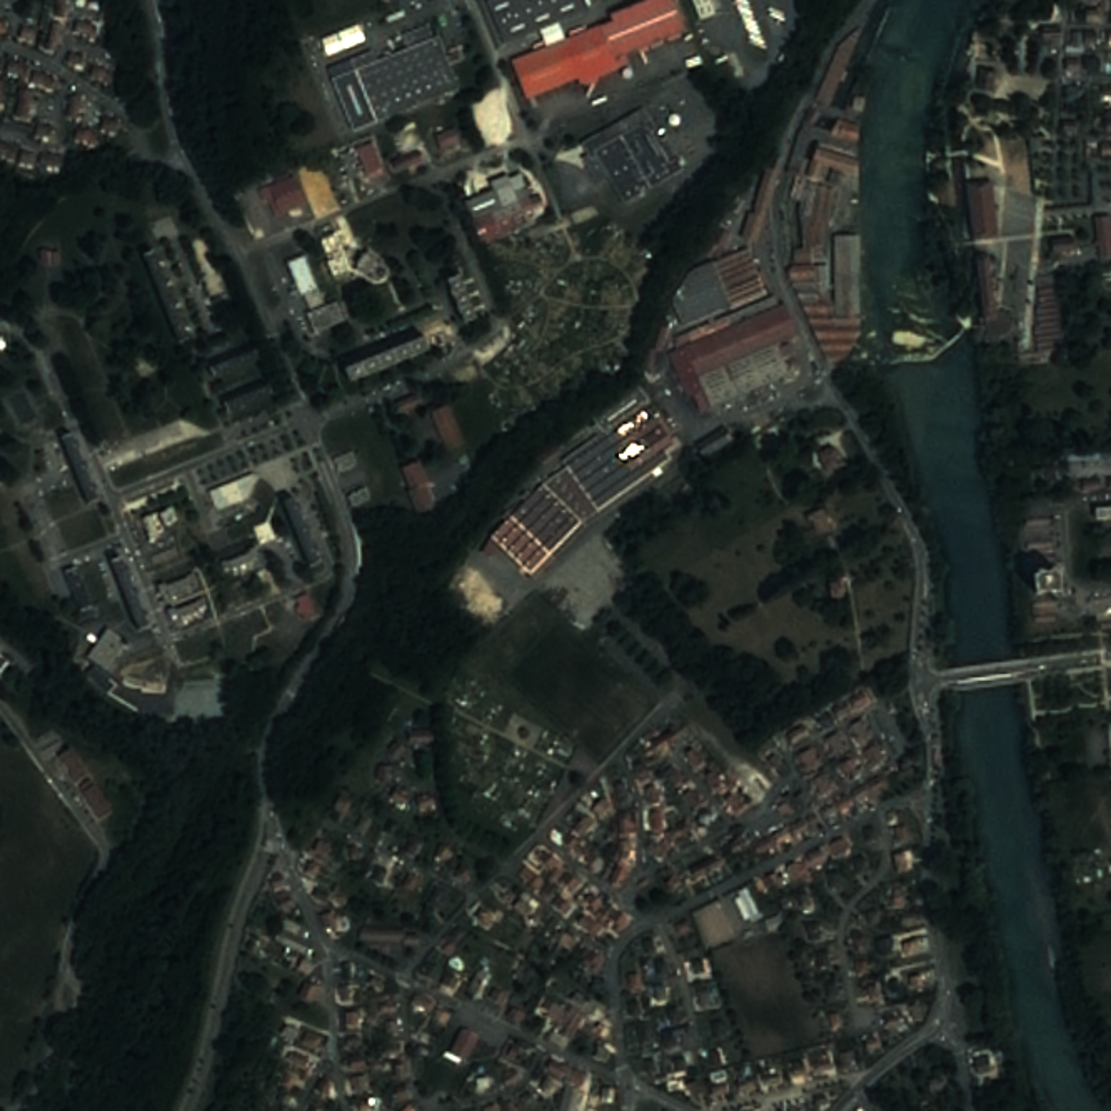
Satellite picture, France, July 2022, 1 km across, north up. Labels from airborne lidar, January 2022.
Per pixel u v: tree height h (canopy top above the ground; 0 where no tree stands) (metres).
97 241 15
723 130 14
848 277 0
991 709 0
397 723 0
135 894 17
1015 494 7
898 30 0
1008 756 0
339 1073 0
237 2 14
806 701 17
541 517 0
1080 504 0
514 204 0
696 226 15
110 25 10
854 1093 0
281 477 0
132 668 0
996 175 0
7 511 0
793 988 0
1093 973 0
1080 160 7
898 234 0
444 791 15
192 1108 0
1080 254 0
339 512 0
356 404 0
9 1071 0
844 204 0
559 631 0
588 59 0
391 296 0
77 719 16
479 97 7
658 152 0
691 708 0
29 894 0
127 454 0
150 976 25
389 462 0
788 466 18
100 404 0
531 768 0
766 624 0
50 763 0
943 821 12
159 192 13
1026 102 14
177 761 23
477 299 0
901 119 0
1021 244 0
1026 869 0
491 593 0
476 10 0
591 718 0
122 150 14
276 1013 0
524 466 12
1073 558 0
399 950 0
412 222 0
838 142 0
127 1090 27
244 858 0
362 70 0
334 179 0
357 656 23
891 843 0
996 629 0
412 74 0
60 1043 18
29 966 0
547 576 0
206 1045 0
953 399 0
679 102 0
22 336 0
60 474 0
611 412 0
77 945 11
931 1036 0
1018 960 0
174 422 0
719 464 7
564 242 0
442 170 0
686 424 0
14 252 23
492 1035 0
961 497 0
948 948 0
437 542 16
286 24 6
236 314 26
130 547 0
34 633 28
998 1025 19
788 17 0
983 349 10
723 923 0
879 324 0
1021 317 0
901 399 0
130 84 20
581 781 14
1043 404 0
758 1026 0
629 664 0
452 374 0
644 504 12
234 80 20
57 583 0
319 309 0
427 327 0
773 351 0
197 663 0
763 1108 0
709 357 0
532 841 0
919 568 0
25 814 0
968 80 17
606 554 0
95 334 15
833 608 17
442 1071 0
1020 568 0
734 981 0
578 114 0
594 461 0
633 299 0
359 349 0
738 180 18
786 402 0
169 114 0
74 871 0
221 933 0
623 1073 0
